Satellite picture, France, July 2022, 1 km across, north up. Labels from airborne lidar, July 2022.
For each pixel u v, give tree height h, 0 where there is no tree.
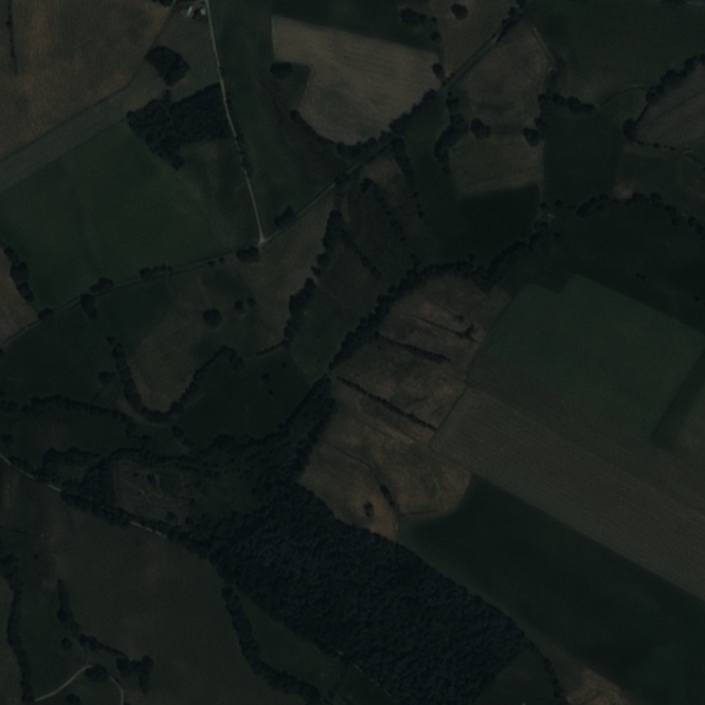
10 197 0
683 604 0
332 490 0
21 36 0
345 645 13
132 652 0
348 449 0
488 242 0
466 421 0
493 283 14
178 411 16
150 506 0
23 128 0
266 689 0
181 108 13
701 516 0
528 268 0
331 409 15
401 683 23
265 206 0
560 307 0
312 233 0
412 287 16
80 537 0
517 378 0
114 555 0
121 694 0
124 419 12
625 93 0
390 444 0
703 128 0
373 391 0
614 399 0
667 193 0
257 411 0
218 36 0
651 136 0
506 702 0
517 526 0
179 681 0
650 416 0
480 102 0
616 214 0
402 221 0
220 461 0
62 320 0
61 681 0
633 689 0
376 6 0
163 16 0
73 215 0
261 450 7
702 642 0
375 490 0
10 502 0
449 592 12
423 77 0
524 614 0
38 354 0
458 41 0
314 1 0
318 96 0
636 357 0
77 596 0
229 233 0
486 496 0
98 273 0
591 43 0
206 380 0
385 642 12
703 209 0
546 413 0
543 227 12
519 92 0
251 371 0
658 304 0
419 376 0
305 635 22
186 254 0
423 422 7
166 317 0
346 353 14
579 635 0
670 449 0
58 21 0
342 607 26
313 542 14
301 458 19
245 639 20
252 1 0
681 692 0
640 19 0
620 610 0
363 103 0
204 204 0
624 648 0
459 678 9
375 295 0
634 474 0
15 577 14
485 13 0
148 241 0
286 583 23
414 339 0
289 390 0
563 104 15
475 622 17
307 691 22
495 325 0
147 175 0
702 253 0
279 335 0
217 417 0
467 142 0
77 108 0
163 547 0
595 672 0
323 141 11
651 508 0
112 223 0
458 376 0
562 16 0
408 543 0
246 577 16
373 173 0
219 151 0
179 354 0
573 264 0
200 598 0
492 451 0
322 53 0
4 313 0
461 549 0
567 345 0
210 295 0
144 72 0
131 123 8
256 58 0
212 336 0
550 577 0
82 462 14
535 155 0
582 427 0
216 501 0
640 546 0
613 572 0
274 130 0
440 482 0
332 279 0
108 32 0
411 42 0
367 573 13
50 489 0
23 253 0
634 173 0
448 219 0
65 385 0
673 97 0
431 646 14
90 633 0
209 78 0
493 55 0
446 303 0
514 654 20
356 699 0
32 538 0
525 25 0
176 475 0
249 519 6
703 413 0
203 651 0
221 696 0
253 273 0
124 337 0
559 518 0
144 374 0
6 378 0
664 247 0
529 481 0
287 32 0
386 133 12
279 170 0
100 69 0
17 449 0
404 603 16
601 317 0
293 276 0
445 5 0
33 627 0
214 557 13
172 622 0
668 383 0
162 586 0
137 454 9
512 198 0
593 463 0
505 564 0
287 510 18
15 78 0
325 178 0
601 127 0
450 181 0
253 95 0
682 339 0
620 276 0
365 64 0
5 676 0
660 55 0
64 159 0
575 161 0
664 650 0
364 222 0
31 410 11
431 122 0
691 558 0
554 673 8
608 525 0
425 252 0
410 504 0
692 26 0
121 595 0
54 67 0
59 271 0
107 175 0
